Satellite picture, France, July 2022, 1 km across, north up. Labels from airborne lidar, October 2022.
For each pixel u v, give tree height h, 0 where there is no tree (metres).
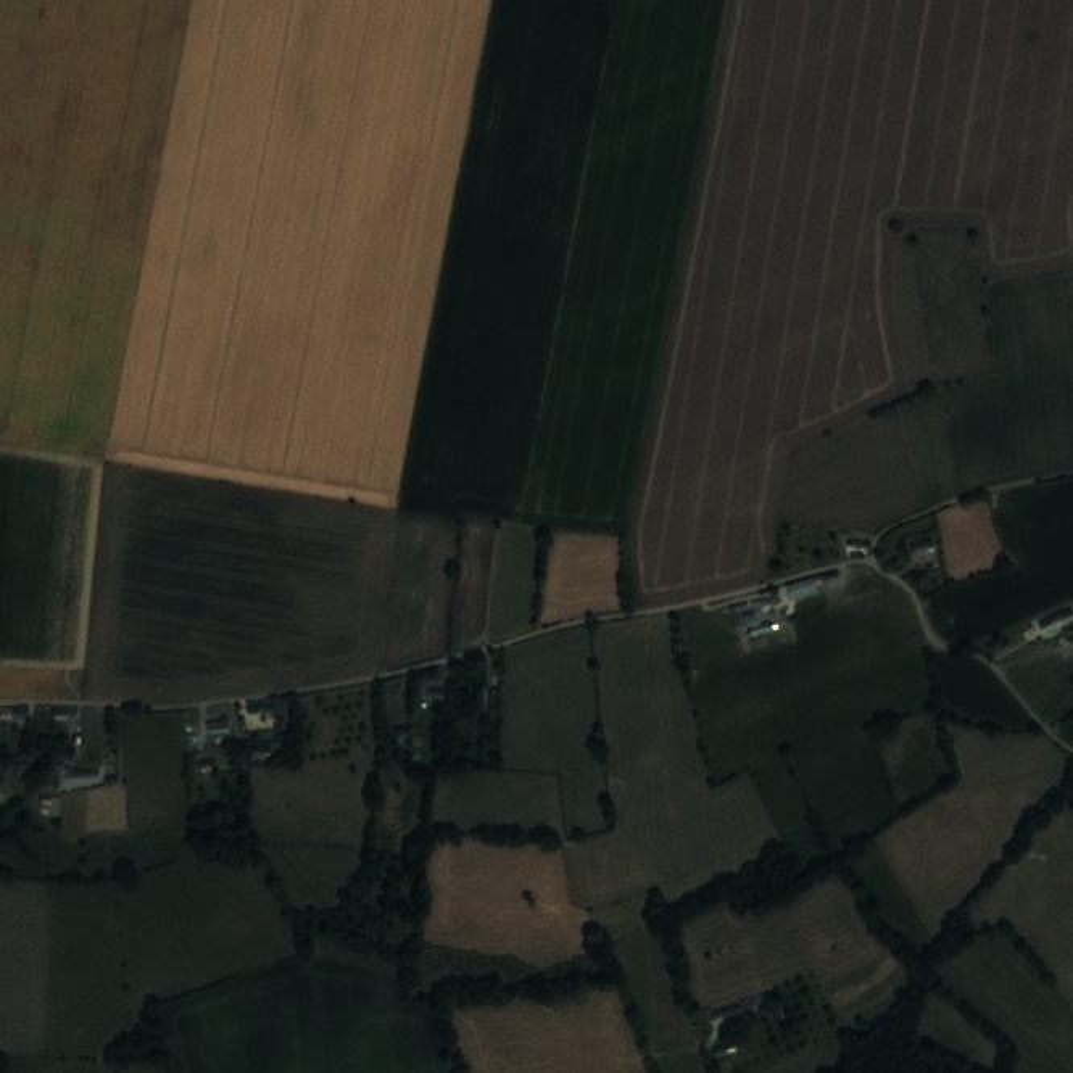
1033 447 0
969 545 0
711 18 0
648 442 0
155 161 0
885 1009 0
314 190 0
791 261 0
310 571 0
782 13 0
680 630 12
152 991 0
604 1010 0
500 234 0
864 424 0
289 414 0
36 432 0
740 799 0
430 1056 0
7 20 0
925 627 0
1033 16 0
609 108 0
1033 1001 0
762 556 0
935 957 16
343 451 0
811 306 0
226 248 0
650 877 0
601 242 0
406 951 13
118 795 0
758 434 0
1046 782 0
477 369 0
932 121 0
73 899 0
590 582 0
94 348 0
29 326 0
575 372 0
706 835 0
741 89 0
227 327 0
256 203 0
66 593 0
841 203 0
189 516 0
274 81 0
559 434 0
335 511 0
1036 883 0
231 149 0
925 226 0
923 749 0
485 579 0
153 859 0
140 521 0
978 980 0
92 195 0
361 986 0
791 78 0
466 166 0
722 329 0
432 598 0
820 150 0
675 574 0
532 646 0
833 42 0
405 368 0
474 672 6
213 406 0
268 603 0
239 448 0
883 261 0
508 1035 0
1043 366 0
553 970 0
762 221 0
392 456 0
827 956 0
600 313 0
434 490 0
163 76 0
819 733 0
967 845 0
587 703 0
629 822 0
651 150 0
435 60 0
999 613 0
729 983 0
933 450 0
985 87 0
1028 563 0
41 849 0
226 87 0
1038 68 0
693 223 0
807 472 0
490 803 0
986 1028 13
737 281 0
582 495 0
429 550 0
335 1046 0
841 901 0
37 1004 0
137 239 0
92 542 0
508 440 0
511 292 0
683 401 0
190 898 0
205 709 0
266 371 0
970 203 0
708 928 0
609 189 0
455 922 0
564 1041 0
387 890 15
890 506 0
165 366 0
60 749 6
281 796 0
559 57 0
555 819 0
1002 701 0
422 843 21
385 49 0
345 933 9
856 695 0
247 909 0
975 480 0
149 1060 13
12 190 0
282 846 0
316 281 0
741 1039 17
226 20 0
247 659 0
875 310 0
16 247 0
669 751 0
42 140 0
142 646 0
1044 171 0
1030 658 0
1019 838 13
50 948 0
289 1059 0
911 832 0
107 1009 0
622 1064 0
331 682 0
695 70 0
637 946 0
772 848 14
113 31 0
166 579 0
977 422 0
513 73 0
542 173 0
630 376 0
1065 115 0
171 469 0
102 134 0
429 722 0
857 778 0
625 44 0
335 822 0
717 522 0
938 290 0
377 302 0
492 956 0
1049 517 0
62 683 0
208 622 0
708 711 0
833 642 0
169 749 0
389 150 0
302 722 9
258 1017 0
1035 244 0
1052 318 0
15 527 0
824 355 0
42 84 0
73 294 0
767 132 0
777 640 0
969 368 0
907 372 0
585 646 0
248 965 0
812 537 0
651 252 0
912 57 0
